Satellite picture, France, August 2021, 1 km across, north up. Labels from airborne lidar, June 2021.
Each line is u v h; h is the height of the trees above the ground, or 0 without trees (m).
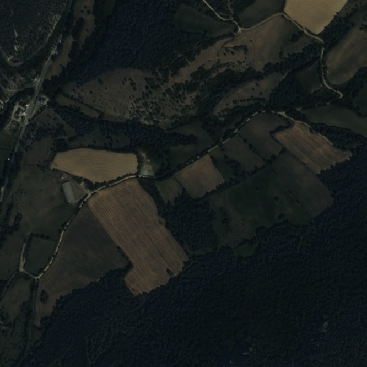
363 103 0
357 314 11
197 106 6
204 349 15
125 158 0
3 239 9
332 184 15
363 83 15
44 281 0
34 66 11
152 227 0
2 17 12
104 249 0
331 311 17
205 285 18
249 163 0
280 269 15
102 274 0
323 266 15
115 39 23
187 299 20
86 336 19
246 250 0
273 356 12
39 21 11
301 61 14
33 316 13
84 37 0
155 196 7
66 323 19
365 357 12
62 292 0
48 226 0
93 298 15
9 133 0
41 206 0
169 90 11
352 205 26
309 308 9
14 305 0
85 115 12
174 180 0
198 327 17
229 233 0
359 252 8
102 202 0
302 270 15
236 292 18
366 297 17
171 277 0
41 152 0
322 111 0
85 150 0
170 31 18
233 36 10
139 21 22
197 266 12
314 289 15
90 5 0
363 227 16
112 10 0
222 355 15
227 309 12
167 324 19
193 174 0
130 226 0
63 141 12
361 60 0
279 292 18
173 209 10
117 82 0
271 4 0
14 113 0
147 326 15
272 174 0
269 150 0
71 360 19
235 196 0
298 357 13
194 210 14
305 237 6
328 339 7
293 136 0
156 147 11
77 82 10
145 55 17
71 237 0
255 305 14
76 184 0
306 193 0
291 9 0
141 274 0
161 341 14
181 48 7
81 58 28
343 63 0
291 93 12
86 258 0
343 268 14
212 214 18
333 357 14
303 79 0
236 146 0
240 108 9
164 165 9
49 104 13
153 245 0
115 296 20
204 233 18
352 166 21
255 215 0
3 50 6
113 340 9
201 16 0
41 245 0
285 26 0
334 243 17
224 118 8
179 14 0
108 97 0
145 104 11
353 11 6
